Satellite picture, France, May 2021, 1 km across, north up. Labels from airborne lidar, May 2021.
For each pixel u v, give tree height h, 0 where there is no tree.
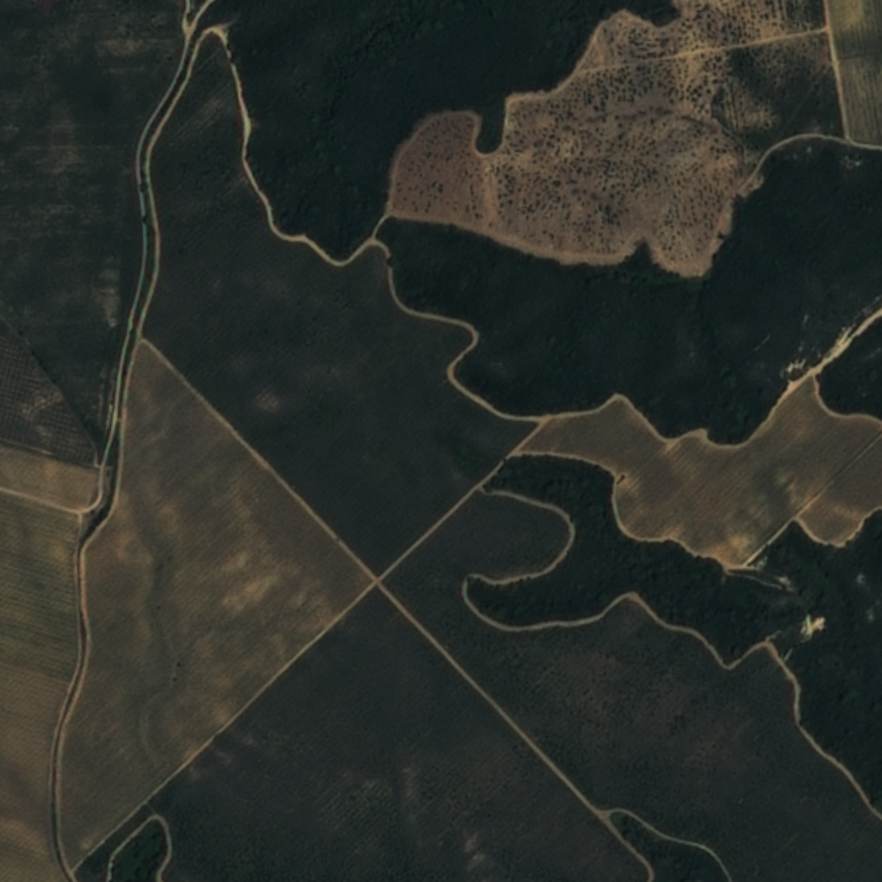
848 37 0
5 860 0
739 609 6
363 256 0
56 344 0
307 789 0
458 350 0
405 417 0
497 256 6
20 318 0
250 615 0
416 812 0
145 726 0
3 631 0
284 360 0
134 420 0
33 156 0
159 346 0
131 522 0
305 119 7
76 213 0
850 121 0
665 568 7
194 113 0
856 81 0
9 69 0
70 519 0
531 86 6
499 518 0
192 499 0
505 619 6
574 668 0
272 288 0
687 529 0
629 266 7
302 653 0
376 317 0
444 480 0
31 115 0
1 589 0
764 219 6
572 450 0
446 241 6
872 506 0
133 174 0
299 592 0
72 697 0
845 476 0
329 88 7
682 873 8
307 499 0
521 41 6
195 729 0
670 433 8
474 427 0
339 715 0
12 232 0
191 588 0
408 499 0
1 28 0
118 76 0
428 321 0
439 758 0
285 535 0
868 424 0
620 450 0
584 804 0
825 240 6
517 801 0
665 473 0
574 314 7
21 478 0
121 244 0
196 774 0
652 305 7
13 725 0
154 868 7
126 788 0
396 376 0
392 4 8
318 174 8
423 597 0
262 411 0
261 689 0
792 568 6
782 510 0
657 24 8
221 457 0
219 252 0
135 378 0
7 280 0
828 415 0
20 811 0
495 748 0
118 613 0
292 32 6
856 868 0
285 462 0
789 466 0
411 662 0
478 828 0
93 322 0
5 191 0
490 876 0
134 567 0
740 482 0
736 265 6
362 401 0
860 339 8
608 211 6
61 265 0
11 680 0
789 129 0
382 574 0
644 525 0
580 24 9
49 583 0
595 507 10
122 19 0
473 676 0
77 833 0
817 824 0
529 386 7
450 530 0
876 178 6
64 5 0
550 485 11
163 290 0
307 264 0
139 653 0
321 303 0
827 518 0
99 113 0
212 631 0
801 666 8
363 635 0
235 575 0
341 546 0
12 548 0
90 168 0
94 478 0
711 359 6
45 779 0
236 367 0
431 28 7
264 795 0
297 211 6
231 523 0
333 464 0
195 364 0
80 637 0
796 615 8
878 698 5
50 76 0
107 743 0
